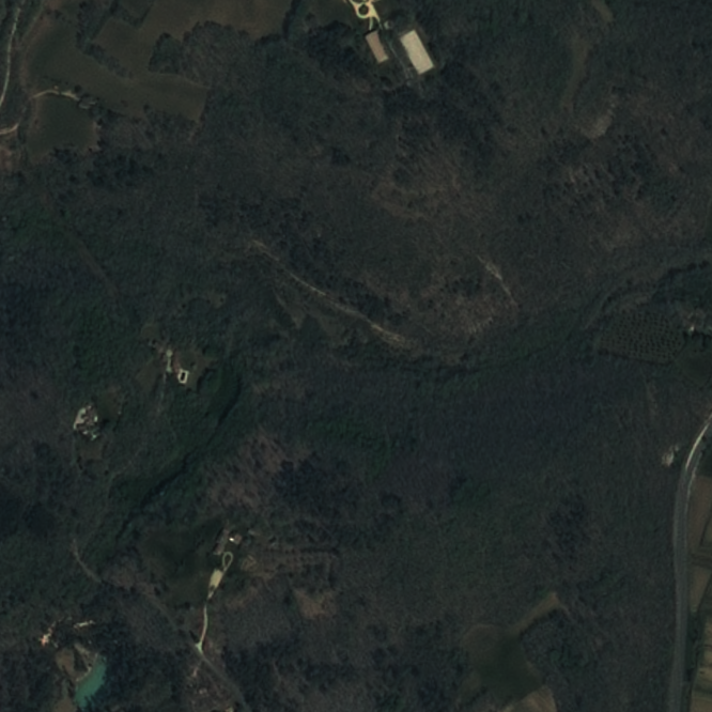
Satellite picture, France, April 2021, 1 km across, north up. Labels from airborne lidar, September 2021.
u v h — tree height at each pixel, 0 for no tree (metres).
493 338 9
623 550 17
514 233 12
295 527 16
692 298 9
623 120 13
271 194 14
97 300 24
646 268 13
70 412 13
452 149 24
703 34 16
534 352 13
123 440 16
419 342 7
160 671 25
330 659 17
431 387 21
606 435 12
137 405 8
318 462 16
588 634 19
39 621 15
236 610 21
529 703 0
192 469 22
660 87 10
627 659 19
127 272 20
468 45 22
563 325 17
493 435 16
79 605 13
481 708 14
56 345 27
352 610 22
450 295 13
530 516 16
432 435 19
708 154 13
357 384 15
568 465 13
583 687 13
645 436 18
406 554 17
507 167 16
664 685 20
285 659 24
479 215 18
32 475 23
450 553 15
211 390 18
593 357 15
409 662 20
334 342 0
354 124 16
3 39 17
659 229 10
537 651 23
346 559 17
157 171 10
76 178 12
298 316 0
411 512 18
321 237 8
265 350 19
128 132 20
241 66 23
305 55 20
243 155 18
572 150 20
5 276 24
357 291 18
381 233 13
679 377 6
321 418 17
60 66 0
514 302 11
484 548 10
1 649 16
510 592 15
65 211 17
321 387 20
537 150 16
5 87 16
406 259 11
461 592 15
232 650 14
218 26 7
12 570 15
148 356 18
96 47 8
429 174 18
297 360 17
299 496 25
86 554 18
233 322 12
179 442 17
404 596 18
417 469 16
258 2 0
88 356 22
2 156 0
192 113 0
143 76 0
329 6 0
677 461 9
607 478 17
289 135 23
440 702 16
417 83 18
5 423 16
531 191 14
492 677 0
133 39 0
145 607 20
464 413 16
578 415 19
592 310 13
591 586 20
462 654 17
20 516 8
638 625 20
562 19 23
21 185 14
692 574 0
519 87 18
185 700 12
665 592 17
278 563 11
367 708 15
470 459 18
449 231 14
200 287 14
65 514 24
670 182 8
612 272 17
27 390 13
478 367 19
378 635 25
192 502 20
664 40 14
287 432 15
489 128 29
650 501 21
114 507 16
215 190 12
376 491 15
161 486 11
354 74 26
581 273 16
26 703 12
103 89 0
